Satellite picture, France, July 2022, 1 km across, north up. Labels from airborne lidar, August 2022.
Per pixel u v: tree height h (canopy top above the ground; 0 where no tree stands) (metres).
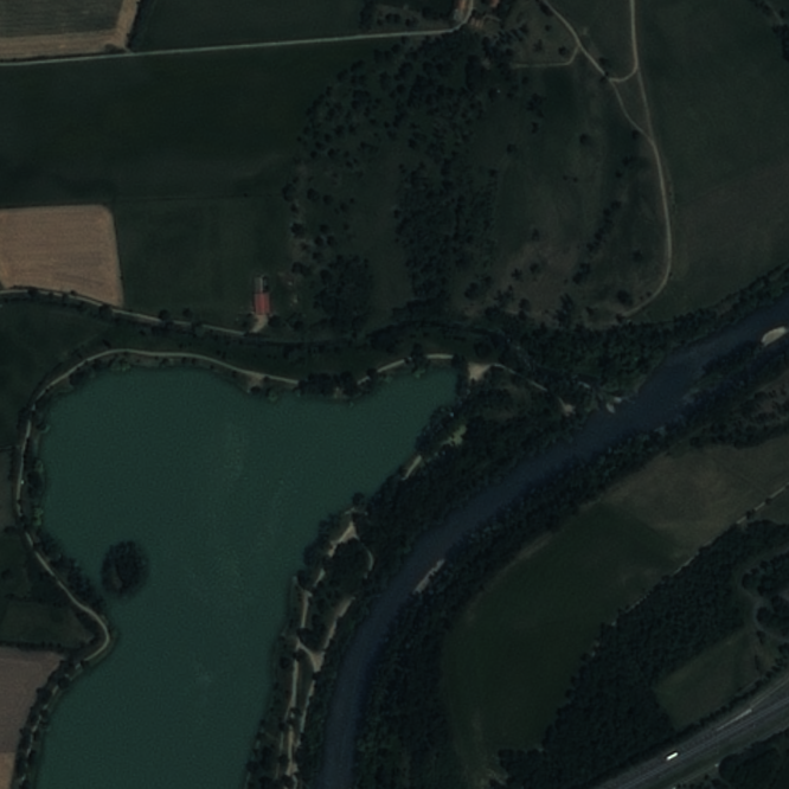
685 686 0
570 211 0
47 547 19
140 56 0
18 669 0
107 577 10
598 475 17
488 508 0
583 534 0
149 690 0
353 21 0
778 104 0
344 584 16
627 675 17
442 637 12
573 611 0
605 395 0
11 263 0
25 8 0
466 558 29
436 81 17
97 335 0
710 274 0
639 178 0
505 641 0
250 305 0
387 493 14
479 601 0
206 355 0
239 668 0
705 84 0
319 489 0
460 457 25
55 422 0
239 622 0
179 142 0
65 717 0
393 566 25
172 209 0
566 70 0
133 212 0
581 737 19
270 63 0
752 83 0
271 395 10
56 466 0
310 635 18
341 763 0
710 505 0
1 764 0
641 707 17
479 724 0
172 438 0
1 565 0
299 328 13
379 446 0
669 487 0
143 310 0
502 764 12
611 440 0
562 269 0
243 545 0
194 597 0
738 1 0
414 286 5
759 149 0
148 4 13
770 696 0
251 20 0
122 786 0
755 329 0
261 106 0
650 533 0
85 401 0
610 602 0
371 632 0
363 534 9
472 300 18
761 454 0
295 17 0
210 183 0
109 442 0
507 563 13
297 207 17
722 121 0
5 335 0
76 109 0
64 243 0
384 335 13
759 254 0
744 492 0
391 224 0
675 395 0
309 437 0
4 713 0
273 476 0
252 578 0
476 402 22
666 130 0
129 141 0
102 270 0
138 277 0
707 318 13
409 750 9
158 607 0
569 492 24
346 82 13
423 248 7
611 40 0
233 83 0
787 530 11
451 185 21
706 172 0
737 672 0
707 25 0
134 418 0
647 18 0
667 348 24
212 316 0
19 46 0
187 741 0
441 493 21
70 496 0
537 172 0
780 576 18
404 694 32
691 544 0
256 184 0
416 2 0
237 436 0
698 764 0
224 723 0
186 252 0
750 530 11
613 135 0
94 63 0
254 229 0
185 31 0
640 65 0
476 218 6
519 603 0
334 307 14
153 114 0
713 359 0
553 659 0
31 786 11
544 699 0
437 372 0
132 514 0
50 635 0
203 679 0
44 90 0
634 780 0
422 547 0
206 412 0
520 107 0
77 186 0
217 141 0
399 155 0
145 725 0
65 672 11
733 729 0
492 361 0
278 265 0
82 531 0
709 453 0
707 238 0
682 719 0
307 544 0
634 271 0
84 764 0
